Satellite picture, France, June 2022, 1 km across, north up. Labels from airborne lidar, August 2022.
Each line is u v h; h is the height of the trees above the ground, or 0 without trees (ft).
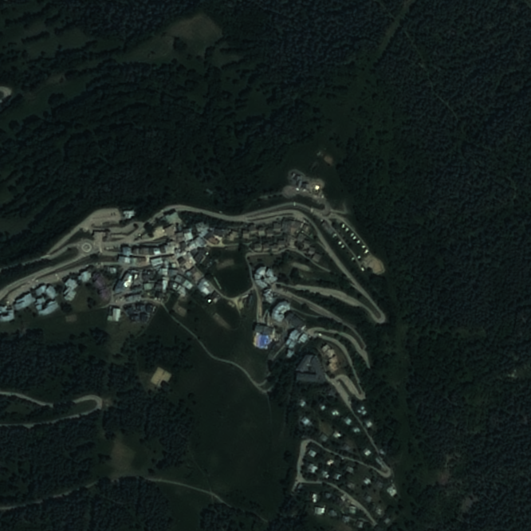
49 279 0
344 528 0
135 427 73
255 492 0
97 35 68
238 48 44
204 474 0
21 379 63
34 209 42
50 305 0
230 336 0
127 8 39
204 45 0
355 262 25
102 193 75
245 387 0
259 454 0
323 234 0
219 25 35
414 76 43
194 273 0
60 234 35
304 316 0
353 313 33
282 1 97
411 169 74
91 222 0
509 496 93
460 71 77
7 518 44
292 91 71
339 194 0
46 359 87
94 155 82
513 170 44
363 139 76
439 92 62
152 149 68
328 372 30
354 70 73
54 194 68
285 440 0
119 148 59
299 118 77
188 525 0
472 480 52
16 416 27
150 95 82
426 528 19
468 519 110
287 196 0
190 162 72
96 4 41
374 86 32
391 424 51
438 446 82
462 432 54
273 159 31
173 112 82
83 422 31
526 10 83
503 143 25
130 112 71
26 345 90
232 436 0
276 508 0
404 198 54
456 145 73
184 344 36
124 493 83
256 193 40
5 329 0
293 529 71
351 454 42
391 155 20
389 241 76
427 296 38
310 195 0
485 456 52
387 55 67
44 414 59
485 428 45
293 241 0
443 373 87
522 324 78
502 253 67
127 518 65
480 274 85
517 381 40
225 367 0
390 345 51
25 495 26
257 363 0
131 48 61
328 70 71
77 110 73
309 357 0
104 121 65
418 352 50
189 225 23
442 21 76
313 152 0
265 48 80
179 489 0
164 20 70
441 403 94
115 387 33
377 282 65
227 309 0
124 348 37
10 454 34
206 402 0
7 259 18
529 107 100
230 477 0
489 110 37
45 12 40
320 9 40
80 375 64
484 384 64
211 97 36
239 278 0
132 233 0
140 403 79
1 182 66
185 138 67
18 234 0
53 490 83
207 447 0
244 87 0
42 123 56
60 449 78
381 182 55
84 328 0
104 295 0
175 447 91
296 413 33
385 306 46
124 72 91
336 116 0
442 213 99
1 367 31
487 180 90
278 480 0
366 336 38
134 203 49
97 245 0
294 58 22
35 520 74
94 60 39
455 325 59
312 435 42
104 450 0
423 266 85
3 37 48
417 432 41
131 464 0
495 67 70
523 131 103
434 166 93
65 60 73
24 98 49
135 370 44
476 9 100
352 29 67
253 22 78
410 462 0
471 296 97
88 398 0
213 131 77
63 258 0
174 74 70
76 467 68
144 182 70
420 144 79
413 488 51
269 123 93
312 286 0
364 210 50
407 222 23
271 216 0
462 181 86
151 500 89
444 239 49
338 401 52
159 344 49
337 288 26
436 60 59
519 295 70
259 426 0
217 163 55
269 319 0
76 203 69
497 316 92
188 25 0
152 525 87
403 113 52
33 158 72
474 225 61
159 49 0
